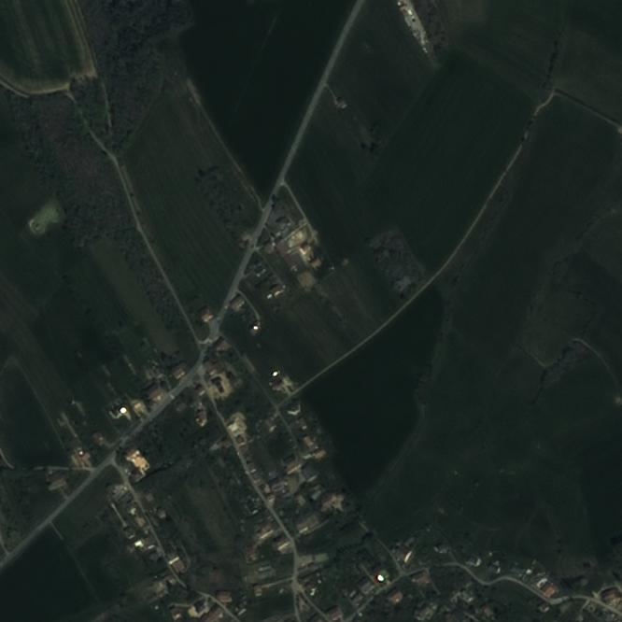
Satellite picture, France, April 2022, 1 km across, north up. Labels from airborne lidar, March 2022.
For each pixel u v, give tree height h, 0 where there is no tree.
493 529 0
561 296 0
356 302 0
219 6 0
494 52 0
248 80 0
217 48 0
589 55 0
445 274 0
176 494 0
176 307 11
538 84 0
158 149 0
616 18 0
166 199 0
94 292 0
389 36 0
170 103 0
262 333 0
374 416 0
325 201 0
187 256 0
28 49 0
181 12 28
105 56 17
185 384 0
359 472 0
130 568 0
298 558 0
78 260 0
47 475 11
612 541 0
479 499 0
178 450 0
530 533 0
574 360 16
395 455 0
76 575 0
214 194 13
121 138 19
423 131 0
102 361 0
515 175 0
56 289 0
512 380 0
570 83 0
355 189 0
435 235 0
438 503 0
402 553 0
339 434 0
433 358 0
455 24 0
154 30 30
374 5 0
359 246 0
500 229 0
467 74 0
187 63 0
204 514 0
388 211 0
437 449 0
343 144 0
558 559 0
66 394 0
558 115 0
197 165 0
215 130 0
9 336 0
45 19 0
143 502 0
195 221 0
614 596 0
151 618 0
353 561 16
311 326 0
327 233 0
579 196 0
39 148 11
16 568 0
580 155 0
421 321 0
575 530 0
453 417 0
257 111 0
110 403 0
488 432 0
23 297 0
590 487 0
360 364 0
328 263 0
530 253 0
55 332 0
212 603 10
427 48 0
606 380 0
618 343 0
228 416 8
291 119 0
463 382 0
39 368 0
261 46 0
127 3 19
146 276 15
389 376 0
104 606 0
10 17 0
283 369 0
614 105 0
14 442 0
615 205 0
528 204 0
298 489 0
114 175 15
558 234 0
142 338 0
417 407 0
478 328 0
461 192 0
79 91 23
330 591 0
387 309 0
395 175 0
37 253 0
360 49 0
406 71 0
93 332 0
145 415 0
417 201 0
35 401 0
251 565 0
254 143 0
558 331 0
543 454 0
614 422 0
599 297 0
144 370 0
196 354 0
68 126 18
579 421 0
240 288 0
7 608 0
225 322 0
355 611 0
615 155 0
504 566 0
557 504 0
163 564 17
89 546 0
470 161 0
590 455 0
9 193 0
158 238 0
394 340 0
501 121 0
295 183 0
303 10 0
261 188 0
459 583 10
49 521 0
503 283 0
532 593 0
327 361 0
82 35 0
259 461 0
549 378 17
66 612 0
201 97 0
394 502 0
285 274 0
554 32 0
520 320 0
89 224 14
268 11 0
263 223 0
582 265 0
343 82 0
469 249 0
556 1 0
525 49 0
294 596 0
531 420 0
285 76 0
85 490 0
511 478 0
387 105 0
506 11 0
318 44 0
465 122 0
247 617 0
